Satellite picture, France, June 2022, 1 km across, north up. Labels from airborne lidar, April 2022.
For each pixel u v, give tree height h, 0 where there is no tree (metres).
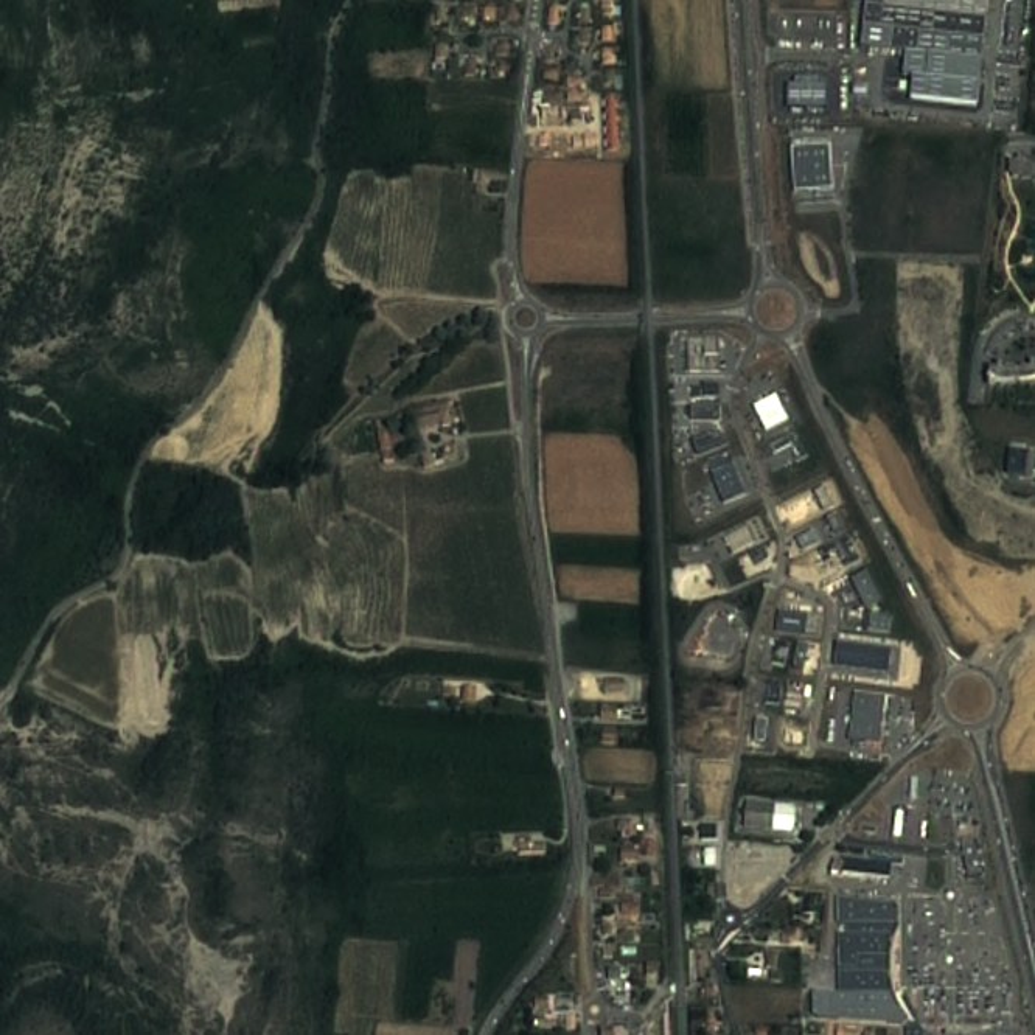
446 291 0
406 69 0
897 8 0
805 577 0
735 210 0
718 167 0
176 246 0
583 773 0
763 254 0
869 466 0
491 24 6
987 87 0
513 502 0
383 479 0
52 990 6
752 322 0
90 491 8
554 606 0
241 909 0
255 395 0
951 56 0
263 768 0
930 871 0
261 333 0
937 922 0
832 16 0
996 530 0
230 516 8
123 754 0
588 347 0
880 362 0
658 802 0
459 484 0
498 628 0
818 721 0
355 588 0
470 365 0
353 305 12
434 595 0
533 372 0
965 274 0
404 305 0
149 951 0
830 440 0
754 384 0
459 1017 0
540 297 0
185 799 0
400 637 0
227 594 0
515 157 0
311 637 0
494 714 7
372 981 0
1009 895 0
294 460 12
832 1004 0
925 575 0
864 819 0
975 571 0
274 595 0
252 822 0
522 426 0
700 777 0
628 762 0
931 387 0
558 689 0
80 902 0
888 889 0
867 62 0
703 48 0
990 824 0
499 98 0
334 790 5
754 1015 0
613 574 0
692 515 0
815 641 0
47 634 7
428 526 0
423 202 0
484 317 18
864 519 0
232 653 0
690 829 13
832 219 0
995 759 0
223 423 0
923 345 0
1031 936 0
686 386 0
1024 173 0
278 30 6
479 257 0
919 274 0
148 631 0
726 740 0
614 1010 0
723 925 0
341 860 10
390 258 0
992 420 0
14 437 6
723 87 0
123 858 0
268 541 0
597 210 0
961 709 0
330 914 0
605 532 0
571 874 0
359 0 13
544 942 0
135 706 0
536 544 0
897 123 0
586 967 0
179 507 15
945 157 0
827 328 0
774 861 0
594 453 0
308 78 9
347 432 0
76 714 0
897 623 0
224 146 6
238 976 0
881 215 0
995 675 0
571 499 0
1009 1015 0
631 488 0
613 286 6
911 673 0
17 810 0
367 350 0
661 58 0
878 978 0
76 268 7
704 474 0
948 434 0
